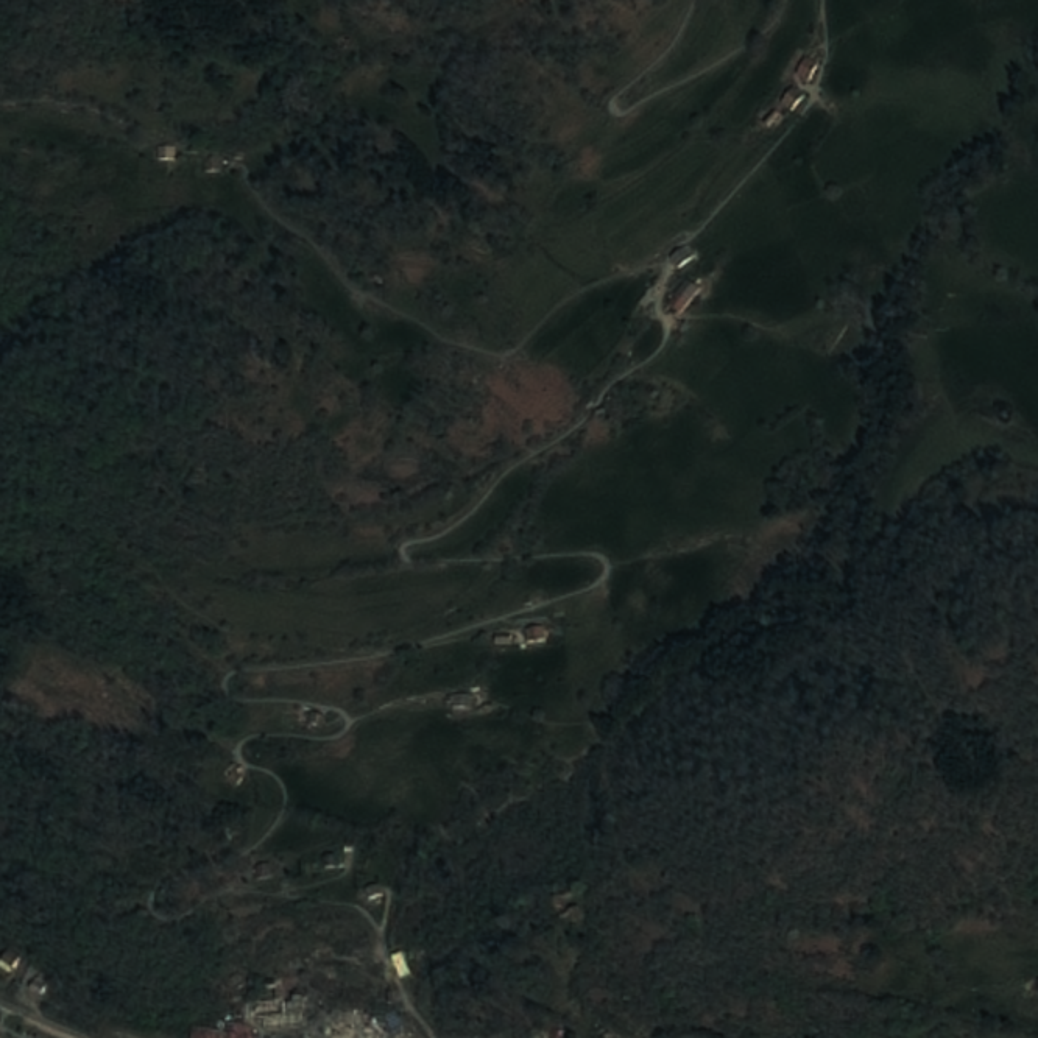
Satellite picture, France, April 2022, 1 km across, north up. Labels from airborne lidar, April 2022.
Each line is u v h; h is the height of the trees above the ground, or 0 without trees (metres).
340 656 0
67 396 18
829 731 19
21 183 14
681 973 13
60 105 10
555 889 14
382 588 0
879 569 22
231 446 15
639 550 0
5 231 20
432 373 0
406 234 17
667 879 12
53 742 19
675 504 0
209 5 23
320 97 24
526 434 11
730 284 0
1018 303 0
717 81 0
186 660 24
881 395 28
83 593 9
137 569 14
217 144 17
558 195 0
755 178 0
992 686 16
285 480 19
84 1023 21
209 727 12
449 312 9
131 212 0
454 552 0
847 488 24
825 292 0
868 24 0
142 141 22
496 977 22
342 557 0
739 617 31
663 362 0
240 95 0
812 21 0
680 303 0
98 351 15
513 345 0
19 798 27
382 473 0
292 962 0
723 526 0
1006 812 14
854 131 0
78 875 17
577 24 16
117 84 0
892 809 9
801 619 22
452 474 0
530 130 17
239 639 0
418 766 0
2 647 20
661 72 0
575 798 6
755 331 14
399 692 0
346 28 7
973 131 0
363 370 0
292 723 0
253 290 16
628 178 0
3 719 19
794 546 0
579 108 0
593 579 0
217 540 16
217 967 24
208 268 12
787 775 13
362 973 0
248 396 14
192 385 14
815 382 0
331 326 17
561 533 0
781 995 23
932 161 0
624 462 0
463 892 10
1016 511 8
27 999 0
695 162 0
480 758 0
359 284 16
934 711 6
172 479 10
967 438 0
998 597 17
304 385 0
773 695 22
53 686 0
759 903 14
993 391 0
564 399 0
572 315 0
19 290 21
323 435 17
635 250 0
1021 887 19
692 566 0
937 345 0
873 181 0
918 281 25
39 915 19
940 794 17
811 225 0
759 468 0
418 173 14
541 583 0
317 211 22
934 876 22
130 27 12
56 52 15
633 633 0
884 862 22
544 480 18
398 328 0
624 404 7
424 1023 0
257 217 0
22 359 26
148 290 31
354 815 0
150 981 23
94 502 16
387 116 0
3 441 22
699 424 0
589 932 6
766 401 0
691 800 13
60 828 19
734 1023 16
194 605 0
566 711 0
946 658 20
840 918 23
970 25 0
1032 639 12
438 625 0
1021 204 0
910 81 0
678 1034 17
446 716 0
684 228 0
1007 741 15
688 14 0
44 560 23
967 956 0
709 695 9
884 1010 22
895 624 21
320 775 0
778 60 0
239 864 25
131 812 14
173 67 15
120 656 18
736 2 0
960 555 23
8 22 8
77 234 11
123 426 17
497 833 11
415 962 0
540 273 0
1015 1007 0
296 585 7
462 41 23
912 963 0
